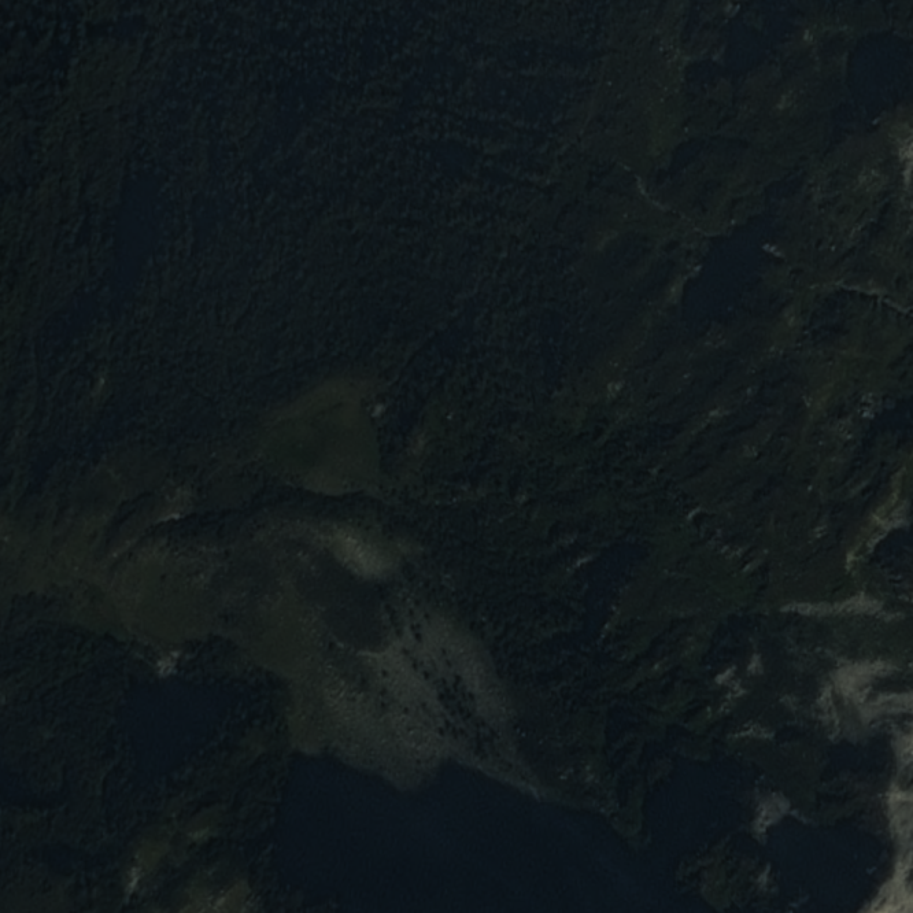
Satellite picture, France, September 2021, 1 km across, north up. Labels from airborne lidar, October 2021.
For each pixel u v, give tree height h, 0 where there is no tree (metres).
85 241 12
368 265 6
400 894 6
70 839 5
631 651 0
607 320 0
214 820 0
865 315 0
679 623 0
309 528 0
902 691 0
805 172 0
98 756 7
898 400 0
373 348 6
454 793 0
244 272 5
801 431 0
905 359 0
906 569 0
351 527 0
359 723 0
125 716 8
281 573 0
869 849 0
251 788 6
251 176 6
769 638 0
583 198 0
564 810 0
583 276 0
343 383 0
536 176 7
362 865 11
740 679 0
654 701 0
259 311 6
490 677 0
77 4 8
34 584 0
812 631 0
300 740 0
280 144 6
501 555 6
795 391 0
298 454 0
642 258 0
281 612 0
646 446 0
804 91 0
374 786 0
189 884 0
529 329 6
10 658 5
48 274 5
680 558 0
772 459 0
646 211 0
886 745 0
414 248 6
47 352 5
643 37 0
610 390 0
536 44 6
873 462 0
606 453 6
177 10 7
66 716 6
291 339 6
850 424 0
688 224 0
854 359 0
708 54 0
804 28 0
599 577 8
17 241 8
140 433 7
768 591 0
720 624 0
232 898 0
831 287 0
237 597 0
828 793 0
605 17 6
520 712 0
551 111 6
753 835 0
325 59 6
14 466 5
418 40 8
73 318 5
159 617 0
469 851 0
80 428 10
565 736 0
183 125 8
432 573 0
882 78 6
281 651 0
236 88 6
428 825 0
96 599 0
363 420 0
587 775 0
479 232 11
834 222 0
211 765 6
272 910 6
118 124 6
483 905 0
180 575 0
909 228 0
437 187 7
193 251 6
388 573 0
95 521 0
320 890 7
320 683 0
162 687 6
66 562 0
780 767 0
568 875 0
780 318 0
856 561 0
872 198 0
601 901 0
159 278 7
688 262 0
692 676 0
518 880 0
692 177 0
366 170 8
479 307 7
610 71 0
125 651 5
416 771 0
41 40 8
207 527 6
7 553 0
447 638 0
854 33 0
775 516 0
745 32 0
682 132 0
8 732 6
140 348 6
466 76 6
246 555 0
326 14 7
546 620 7
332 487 0
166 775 12
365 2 10
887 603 0
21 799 8
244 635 0
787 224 0
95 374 9
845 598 0
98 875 6
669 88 0
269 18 8
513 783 0
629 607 0
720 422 0
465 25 7
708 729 0
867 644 0
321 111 8
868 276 0
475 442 8
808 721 0
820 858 0
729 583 0
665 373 0
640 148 0
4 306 6
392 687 0
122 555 0
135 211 6
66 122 7
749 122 0
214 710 6
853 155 0
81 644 6
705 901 0
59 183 7
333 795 0
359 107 6
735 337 0
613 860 0
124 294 7
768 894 0
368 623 0
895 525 0
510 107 7
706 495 0
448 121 7
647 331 0
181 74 9
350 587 0
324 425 0
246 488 0
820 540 0
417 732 0
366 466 0
